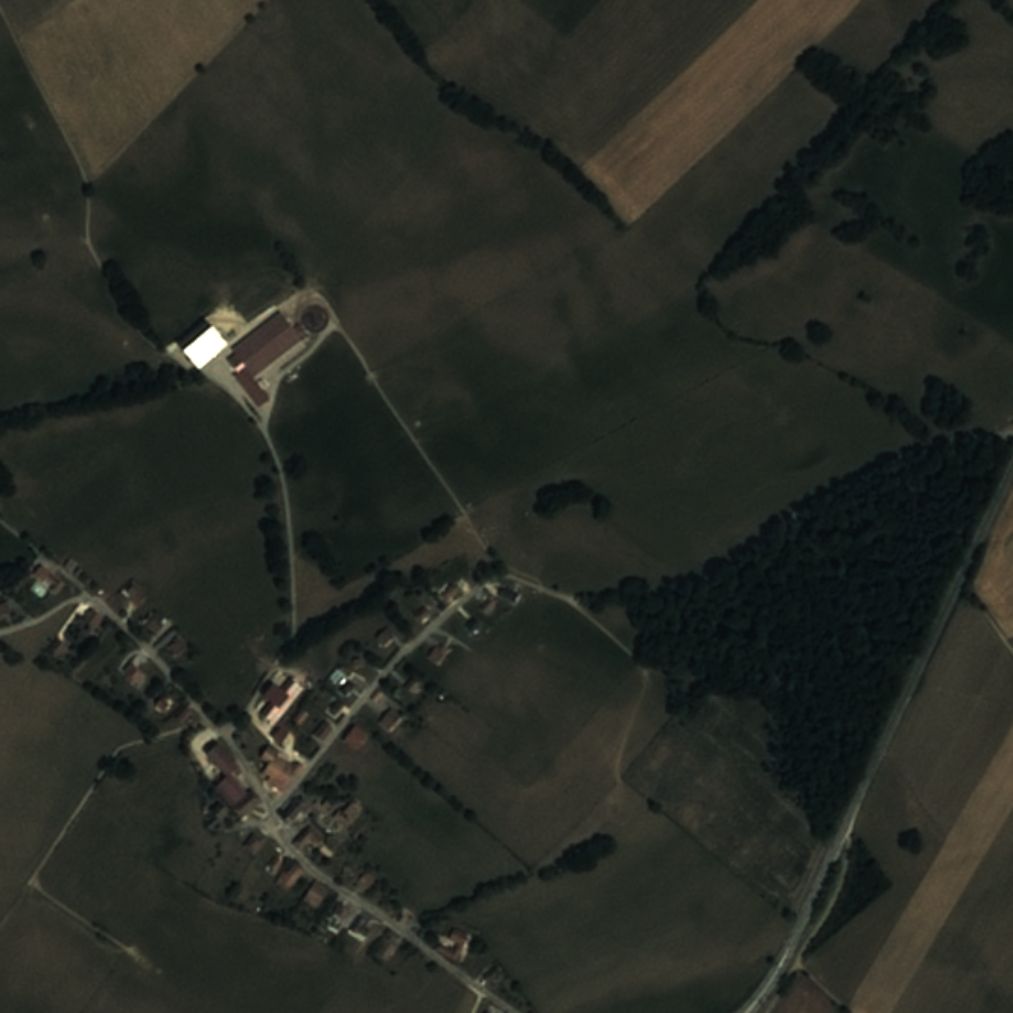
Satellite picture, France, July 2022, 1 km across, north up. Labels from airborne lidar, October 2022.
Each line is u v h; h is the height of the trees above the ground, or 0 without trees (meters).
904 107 15
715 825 0
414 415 0
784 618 26
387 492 0
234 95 0
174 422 0
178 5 0
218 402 0
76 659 5
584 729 0
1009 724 0
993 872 0
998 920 0
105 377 11
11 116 0
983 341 0
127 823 0
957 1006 0
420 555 0
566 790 0
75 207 0
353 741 0
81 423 0
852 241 12
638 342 0
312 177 0
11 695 0
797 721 25
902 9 0
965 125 0
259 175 0
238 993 0
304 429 0
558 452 0
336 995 0
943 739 0
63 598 0
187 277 0
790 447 0
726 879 0
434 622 0
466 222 0
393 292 0
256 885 0
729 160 0
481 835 0
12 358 0
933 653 0
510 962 0
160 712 0
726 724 0
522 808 0
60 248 0
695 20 0
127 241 0
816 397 0
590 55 0
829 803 23
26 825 0
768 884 0
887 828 0
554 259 0
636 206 0
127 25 0
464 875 0
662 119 0
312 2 0
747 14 0
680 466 0
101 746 0
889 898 0
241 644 0
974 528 26
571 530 0
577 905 0
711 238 0
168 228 0
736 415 0
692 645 23
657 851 0
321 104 0
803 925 0
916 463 20
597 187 16
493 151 0
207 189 0
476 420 0
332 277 0
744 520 0
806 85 0
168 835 0
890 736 0
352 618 15
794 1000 0
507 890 15
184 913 0
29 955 0
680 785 0
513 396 0
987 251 10
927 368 0
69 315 0
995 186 17
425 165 0
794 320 0
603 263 0
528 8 0
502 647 0
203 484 0
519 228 0
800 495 0
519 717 0
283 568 19
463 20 0
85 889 0
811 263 0
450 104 13
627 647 0
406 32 14
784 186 18
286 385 0
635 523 0
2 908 0
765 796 0
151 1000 0
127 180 0
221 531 0
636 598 20
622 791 0
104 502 0
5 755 0
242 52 0
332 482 0
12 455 0
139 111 0
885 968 0
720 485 0
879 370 0
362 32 0
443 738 0
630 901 0
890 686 23
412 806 0
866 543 28
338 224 0
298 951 0
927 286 0
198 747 0
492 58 0
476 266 0
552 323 0
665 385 0
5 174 0
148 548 0
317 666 0
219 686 0
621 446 0
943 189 0
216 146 0
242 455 0
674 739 0
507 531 0
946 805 0
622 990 0
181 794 0
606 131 0
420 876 0
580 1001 0
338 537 0
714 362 0
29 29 0
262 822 0
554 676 0
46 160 0
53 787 0
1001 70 0
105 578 0
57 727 0
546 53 0
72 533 0
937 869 0
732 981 0
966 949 0
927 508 29
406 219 0
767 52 0
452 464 0
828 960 0
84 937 0
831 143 21
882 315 0
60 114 0
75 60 0
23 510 0
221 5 0
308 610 0
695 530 0
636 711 0
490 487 0
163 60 0
